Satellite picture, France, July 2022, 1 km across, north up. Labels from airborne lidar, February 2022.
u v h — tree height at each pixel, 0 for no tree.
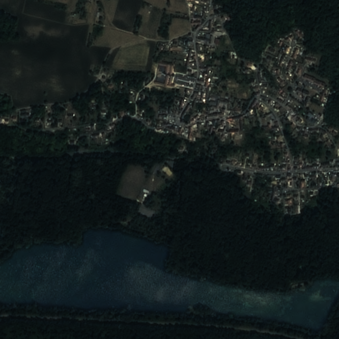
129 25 0
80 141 16
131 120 18
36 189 38
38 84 0
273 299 0
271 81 6
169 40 0
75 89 0
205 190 26
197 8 0
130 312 23
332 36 9
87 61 0
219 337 21
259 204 0
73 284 0
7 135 23
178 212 16
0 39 17
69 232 26
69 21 0
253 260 24
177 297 0
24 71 0
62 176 32
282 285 26
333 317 17
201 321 19
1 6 0
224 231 16
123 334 21
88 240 0
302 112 10
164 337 20
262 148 10
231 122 0
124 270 0
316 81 0
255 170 0
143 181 0
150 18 0
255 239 22
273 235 17
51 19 0
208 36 0
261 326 23
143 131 20
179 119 0
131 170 0
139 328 24
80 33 0
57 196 37
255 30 18
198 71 0
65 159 25
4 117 0
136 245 0
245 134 0
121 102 11
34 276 0
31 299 0
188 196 19
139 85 7
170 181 20
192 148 18
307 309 0
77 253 0
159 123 7
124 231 6
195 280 0
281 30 19
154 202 10
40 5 0
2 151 22
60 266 0
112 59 0
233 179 20
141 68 0
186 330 21
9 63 0
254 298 0
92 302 0
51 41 0
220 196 21
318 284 0
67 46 0
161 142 18
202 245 30
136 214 14
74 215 24
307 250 27
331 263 21
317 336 29
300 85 0
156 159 17
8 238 22
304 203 0
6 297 0
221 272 31
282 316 0
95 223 21
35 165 39
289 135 12
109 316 19
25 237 32
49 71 0
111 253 0
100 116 9
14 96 0
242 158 0
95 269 0
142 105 18
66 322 24
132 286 0
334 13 15
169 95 6
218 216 24
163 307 0
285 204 0
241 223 22
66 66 0
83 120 14
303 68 0
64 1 0
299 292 0
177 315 11
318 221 31
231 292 0
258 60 6
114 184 21
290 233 23
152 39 0
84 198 24
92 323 18
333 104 15
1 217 14
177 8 0
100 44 0
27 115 0
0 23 23
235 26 15
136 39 0
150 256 0
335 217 31
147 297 0
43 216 23
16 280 0
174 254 28
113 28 0
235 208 26
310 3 18
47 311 25
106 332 8
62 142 23
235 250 23
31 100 0
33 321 21
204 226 19
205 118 0
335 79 8
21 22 0
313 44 13
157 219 8
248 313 0
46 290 0
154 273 0
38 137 19
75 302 0
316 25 10
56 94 0
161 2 0
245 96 0
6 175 12
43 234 28
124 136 22
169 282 0
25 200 40
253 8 17
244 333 17
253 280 8
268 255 16
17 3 0
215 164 9
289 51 0
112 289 0
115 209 27
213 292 0
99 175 19
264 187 13
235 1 10
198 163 11
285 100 0
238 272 27
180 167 12
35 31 0
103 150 0
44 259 0
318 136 6
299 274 25
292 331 16
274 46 8
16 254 0
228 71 9
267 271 20
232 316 11
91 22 0
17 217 21
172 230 22
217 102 0
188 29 0
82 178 22
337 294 0
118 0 0
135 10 0
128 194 0
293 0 17
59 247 0
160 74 0
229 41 0
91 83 0
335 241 15
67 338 8
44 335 18
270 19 24
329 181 0
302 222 27
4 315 0
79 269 0
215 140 8
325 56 15
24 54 0
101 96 15
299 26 21
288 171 0
